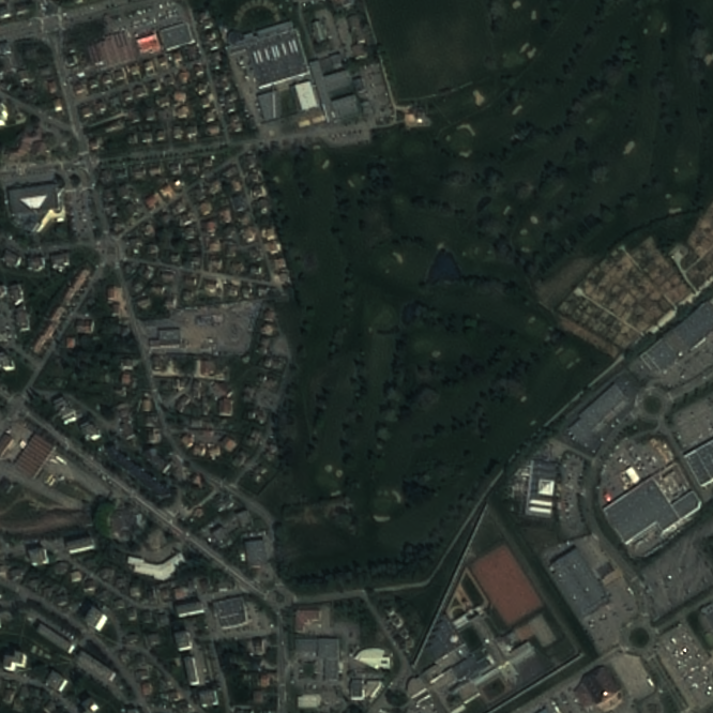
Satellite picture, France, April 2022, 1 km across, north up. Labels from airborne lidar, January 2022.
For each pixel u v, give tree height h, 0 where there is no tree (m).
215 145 0
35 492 0
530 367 12
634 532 0
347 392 0
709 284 0
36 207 0
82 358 21
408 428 0
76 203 0
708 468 0
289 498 0
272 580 0
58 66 0
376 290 0
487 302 0
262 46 0
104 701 0
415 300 0
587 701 0
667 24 0
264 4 0
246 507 0
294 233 0
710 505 8
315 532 0
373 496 0
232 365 8
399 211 0
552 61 0
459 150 0
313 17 0
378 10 0
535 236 0
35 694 15
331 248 0
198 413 15
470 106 0
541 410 0
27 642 0
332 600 0
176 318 0
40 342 0
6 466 0
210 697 0
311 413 0
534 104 0
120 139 0
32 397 0
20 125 0
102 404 0
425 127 0
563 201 0
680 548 0
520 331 0
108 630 0
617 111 0
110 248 0
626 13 0
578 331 0
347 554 0
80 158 0
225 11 0
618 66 16
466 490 0
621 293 0
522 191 15
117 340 8
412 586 0
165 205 0
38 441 0
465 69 0
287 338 0
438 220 0
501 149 0
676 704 0
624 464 0
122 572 10
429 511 0
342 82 0
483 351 0
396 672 0
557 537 0
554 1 13
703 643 0
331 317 0
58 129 0
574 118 14
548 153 0
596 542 0
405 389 10
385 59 8
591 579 0
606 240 0
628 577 0
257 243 0
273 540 0
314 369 0
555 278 0
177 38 0
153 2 0
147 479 0
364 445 0
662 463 0
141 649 0
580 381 0
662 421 0
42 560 0
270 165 7
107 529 17
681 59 0
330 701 0
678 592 0
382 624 0
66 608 0
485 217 0
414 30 0
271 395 0
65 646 0
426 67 0
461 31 0
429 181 0
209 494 6
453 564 0
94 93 0
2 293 0
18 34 0
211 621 0
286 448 11
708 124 13
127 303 0
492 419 0
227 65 12
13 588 0
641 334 0
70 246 0
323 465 0
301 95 0
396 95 0
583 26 0
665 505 0
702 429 0
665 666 0
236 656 15
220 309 0
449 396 0
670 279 0
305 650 0
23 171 0
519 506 0
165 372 0
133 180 6
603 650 0
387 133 0
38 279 0
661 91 20
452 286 0
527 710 0
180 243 16
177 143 0
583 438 0
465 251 0
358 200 0
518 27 0
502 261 15
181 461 0
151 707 0
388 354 0
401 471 0
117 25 0
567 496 0
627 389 0
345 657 0
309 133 0
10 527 0
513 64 0
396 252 0
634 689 0
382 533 0
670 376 0
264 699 0
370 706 0
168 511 0
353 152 0
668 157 0
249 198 0
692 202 0
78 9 0
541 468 0
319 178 0
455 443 0
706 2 0
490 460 0
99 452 0
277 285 0
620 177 0
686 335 0
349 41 0
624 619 0
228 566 0
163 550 0
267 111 0
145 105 10
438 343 0
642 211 0
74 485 0
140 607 0
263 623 0
